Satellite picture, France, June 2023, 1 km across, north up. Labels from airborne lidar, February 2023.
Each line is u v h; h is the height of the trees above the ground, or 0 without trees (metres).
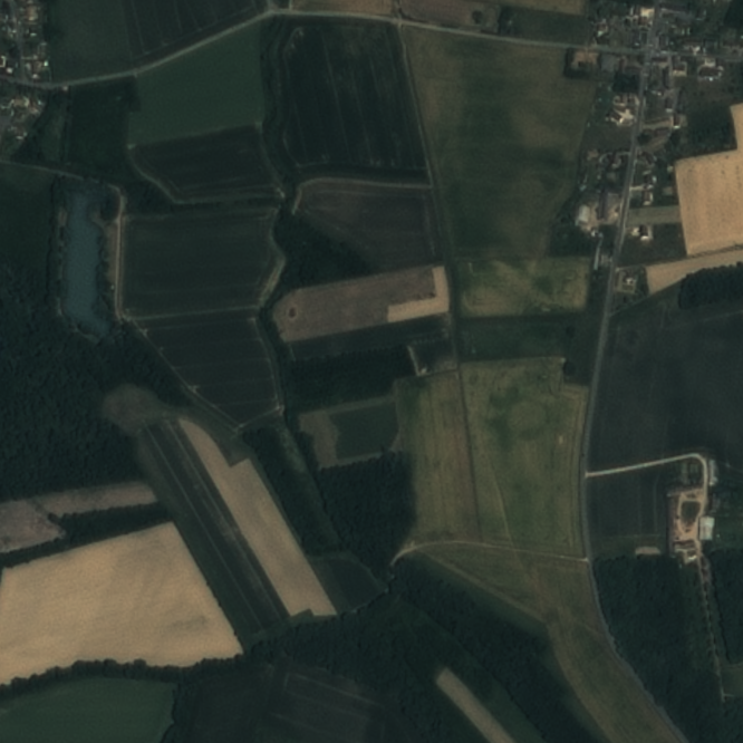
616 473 0
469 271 0
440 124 0
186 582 0
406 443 0
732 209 0
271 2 0
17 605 0
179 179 0
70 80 0
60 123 0
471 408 0
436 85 0
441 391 0
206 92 0
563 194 0
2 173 0
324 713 0
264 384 0
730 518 0
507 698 0
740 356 0
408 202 0
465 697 0
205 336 0
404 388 0
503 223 0
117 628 0
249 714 0
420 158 0
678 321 0
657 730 0
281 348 12
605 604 14
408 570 17
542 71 0
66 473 19
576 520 0
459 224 0
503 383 0
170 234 0
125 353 17
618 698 0
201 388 0
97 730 0
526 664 6
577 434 0
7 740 0
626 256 0
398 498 11
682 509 0
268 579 0
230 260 0
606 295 0
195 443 0
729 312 0
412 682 19
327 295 0
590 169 0
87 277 0
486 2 0
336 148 0
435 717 18
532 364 0
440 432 0
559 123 0
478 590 0
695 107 0
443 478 0
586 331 0
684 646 17
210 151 0
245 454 0
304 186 0
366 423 0
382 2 0
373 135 0
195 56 0
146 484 0
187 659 0
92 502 0
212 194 0
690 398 0
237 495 0
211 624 0
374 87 0
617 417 0
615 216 0
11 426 16
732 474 0
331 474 12
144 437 0
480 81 0
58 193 13
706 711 20
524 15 0
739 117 0
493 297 0
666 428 0
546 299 0
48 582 0
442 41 0
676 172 0
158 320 0
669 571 18
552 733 18
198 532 0
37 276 17
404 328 0
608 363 0
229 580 0
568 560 0
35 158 11
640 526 0
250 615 0
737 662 17
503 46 0
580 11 0
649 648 21
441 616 15
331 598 0
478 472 0
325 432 0
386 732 0
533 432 0
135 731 0
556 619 0
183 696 20
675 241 0
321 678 0
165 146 0
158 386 20
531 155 0
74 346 20
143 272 0
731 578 17
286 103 0
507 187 0
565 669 0
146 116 0
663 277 0
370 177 0
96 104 0
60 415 7
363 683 15
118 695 0
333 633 20
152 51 0
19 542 0
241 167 0
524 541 0
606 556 0
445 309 0
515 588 0
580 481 0
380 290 0
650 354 0
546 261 0
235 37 0
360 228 0
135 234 0
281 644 17
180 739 18
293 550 0
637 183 0
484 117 0
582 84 0
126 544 0
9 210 0
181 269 0
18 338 18
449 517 0
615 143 0
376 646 20
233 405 0
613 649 0
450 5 0
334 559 0
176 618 0
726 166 0
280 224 6
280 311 0
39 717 0
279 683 0
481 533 0
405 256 0
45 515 0
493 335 0
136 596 0
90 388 21
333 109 0
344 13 0
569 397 0
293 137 0
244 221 0
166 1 0
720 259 0
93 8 0
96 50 0
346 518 19
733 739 16
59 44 0
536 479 0
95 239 0
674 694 20
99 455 15
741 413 0
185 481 0
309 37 0
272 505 0
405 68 0
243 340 0
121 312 0
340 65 0
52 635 0
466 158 0
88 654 0
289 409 8
